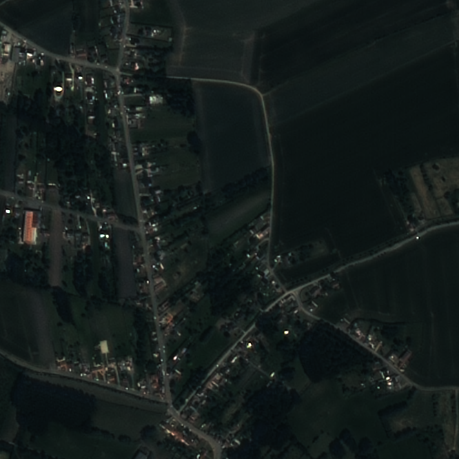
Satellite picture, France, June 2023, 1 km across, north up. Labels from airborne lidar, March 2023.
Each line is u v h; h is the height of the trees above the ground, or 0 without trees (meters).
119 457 0
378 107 0
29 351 0
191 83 12
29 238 0
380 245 0
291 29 0
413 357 6
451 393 0
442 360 0
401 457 0
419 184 0
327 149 0
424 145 0
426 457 0
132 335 0
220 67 0
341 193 0
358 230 0
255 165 0
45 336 0
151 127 0
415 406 0
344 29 0
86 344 0
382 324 6
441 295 0
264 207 0
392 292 0
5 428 0
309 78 0
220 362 0
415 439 0
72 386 0
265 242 0
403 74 0
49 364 0
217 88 0
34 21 0
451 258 0
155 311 0
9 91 0
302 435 0
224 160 0
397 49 0
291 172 0
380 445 6
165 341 0
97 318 0
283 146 0
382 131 0
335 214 0
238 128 0
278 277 0
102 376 0
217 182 0
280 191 0
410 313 0
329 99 0
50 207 0
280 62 0
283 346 14
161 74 8
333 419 0
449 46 0
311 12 0
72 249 0
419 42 0
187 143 0
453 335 0
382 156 0
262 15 0
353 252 0
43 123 31
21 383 30
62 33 0
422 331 0
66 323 0
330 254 0
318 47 0
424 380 0
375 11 0
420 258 0
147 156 0
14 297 0
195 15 0
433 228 0
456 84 0
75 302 0
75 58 0
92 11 0
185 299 11
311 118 0
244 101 0
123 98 0
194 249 0
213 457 0
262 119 0
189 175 0
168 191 9
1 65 0
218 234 0
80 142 19
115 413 0
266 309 0
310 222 0
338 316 0
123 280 0
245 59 0
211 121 0
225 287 20
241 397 0
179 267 0
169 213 11
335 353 19
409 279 0
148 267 0
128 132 0
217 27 0
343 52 0
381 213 0
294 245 0
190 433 19
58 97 0
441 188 0
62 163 18
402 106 0
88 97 0
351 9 0
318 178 0
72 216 7
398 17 0
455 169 0
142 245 0
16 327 0
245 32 0
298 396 26
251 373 0
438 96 0
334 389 0
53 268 0
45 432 0
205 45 0
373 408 0
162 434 0
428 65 0
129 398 0
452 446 0
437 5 0
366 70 0
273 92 0
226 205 0
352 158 0
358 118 0
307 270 0
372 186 0
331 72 0
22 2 0
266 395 28
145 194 0
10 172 0
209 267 12
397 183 13
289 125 0
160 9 0
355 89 0
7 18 0
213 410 8
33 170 0
